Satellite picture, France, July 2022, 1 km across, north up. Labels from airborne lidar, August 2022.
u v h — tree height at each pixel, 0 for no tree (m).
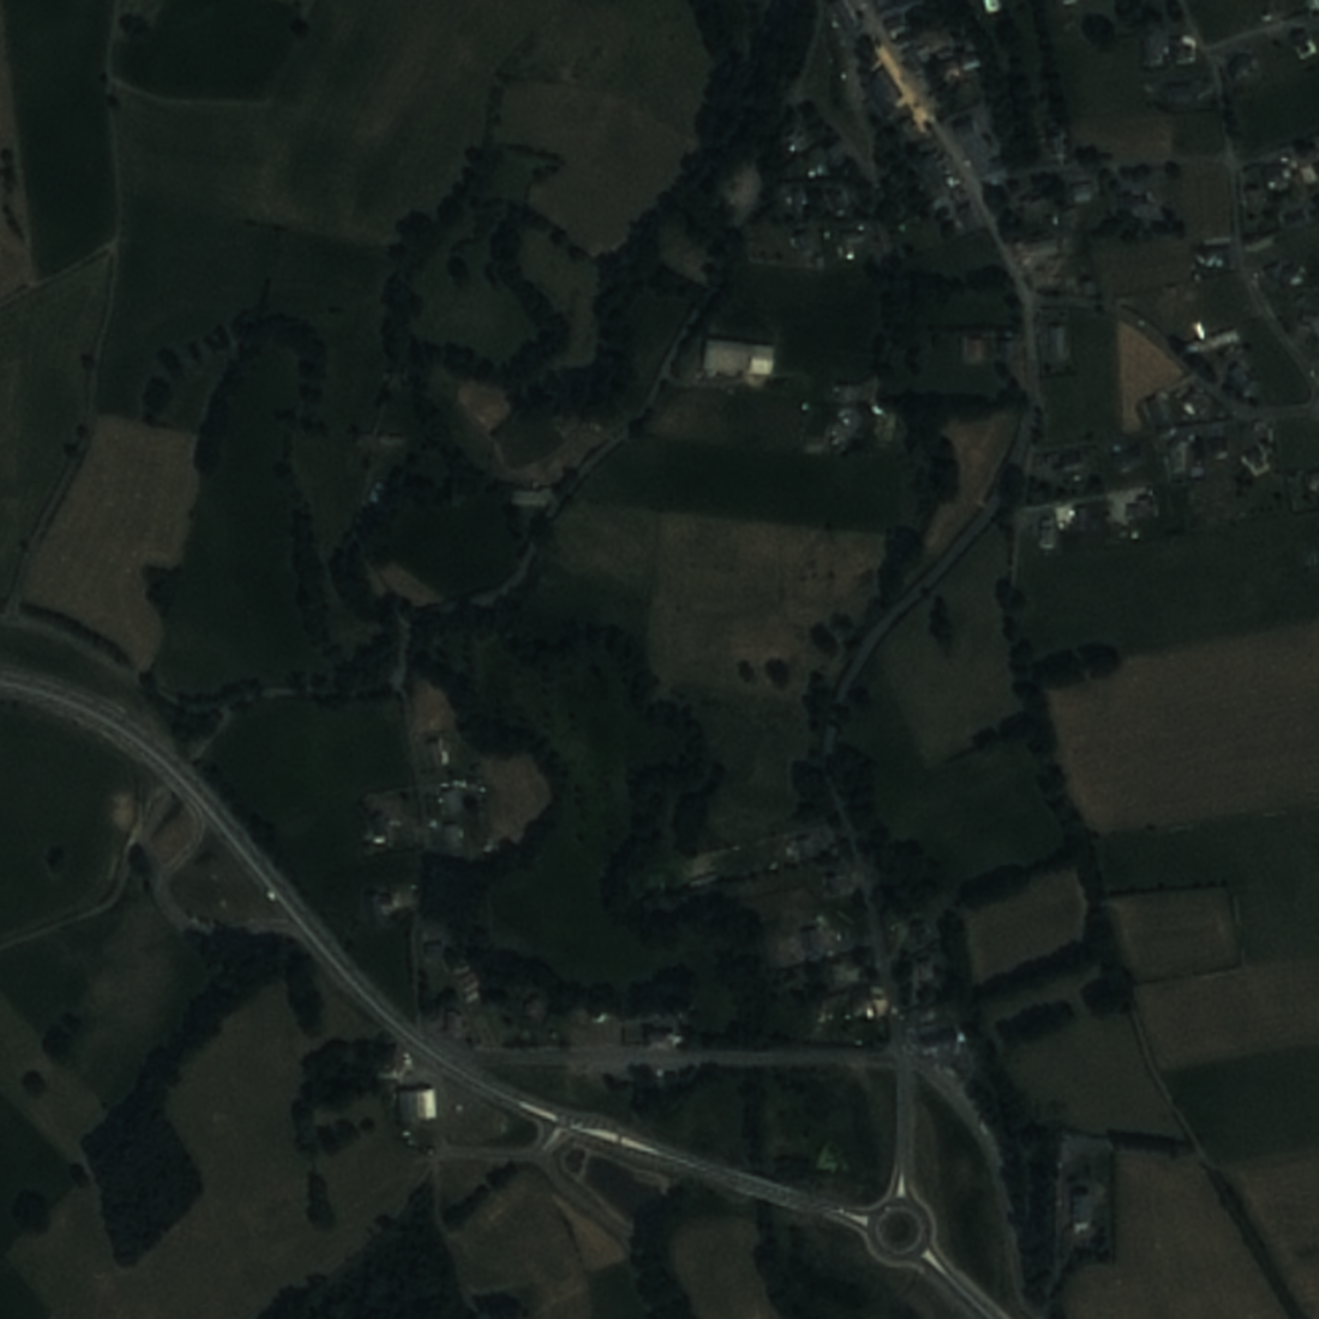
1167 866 0
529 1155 0
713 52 17
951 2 15
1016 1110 14
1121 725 0
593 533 0
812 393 0
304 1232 0
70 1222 0
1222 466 0
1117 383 0
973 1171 0
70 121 0
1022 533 0
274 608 0
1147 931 0
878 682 0
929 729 0
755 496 0
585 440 0
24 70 0
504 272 16
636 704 12
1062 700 0
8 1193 0
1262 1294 0
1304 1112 0
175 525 0
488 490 10
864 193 6
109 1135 18
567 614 0
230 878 0
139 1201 18
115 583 0
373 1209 0
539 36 0
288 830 0
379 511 18
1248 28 0
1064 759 0
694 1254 0
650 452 0
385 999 0
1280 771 0
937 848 0
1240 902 0
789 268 0
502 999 18
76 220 0
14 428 0
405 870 0
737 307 0
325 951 0
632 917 23
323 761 0
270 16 0
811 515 0
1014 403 17
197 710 12
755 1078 7
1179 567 0
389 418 0
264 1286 0
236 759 0
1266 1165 0
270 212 0
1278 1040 0
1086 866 12
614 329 18
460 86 0
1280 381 0
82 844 0
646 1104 14
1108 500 0
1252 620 0
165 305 0
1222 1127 0
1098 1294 0
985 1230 0
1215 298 0
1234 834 0
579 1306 0
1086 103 0
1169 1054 0
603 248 0
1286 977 0
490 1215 0
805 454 0
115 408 0
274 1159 0
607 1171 0
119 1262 10
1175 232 12
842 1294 7
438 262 0
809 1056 0
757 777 0
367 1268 11
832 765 15
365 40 0
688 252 0
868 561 0
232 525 0
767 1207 8
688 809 16
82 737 0
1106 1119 0
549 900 0
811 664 0
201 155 0
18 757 0
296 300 0
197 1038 19
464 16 0
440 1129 0
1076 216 0
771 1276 19
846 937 0
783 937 0
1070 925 0
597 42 0
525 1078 0
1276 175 0
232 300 0
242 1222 0
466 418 0
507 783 0
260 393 0
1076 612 0
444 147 0
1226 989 0
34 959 0
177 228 0
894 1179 0
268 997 0
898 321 22
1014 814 0
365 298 0
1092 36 17
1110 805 0
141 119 0
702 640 0
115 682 0
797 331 0
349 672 14
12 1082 0
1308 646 0
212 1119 0
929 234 0
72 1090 0
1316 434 0
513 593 6
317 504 0
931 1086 0
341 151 0
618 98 0
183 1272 0
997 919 0
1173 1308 0
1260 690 0
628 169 0
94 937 0
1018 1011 0
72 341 0
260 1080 0
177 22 0
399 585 0
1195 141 0
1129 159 0
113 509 0
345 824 0
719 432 0
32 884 0
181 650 0
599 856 0
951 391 0
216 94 0
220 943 22
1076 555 0
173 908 0
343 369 0
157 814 0
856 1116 0
